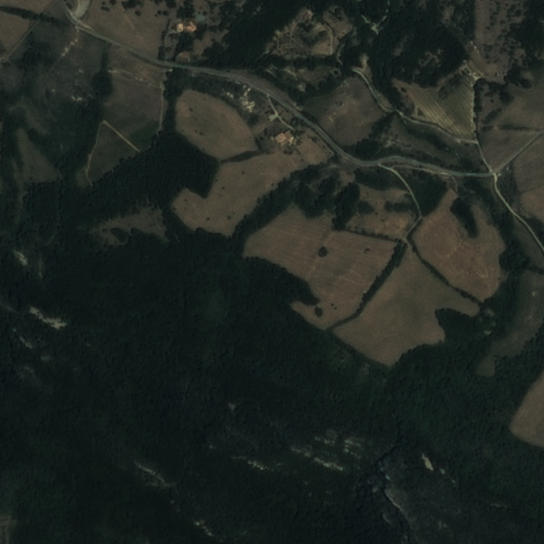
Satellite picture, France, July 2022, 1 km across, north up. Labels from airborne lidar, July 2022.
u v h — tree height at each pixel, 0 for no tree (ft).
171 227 31
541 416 0
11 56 0
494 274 0
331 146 26
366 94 0
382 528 41
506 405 22
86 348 47
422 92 0
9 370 25
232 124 0
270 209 25
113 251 37
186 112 0
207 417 33
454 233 0
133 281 39
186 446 23
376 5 46
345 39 23
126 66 0
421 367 47
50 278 42
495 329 32
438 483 20
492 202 32
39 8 0
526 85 48
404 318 0
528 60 21
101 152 0
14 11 35
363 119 0
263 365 39
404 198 0
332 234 0
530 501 23
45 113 0
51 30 0
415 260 0
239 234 22
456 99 0
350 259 0
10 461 31
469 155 0
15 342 33
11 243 29
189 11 36
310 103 0
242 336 48
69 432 44
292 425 32
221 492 35
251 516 36
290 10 46
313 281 0
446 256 0
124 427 28
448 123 0
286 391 52
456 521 18
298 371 46
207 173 53
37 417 46
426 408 33
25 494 30
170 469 33
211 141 0
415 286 0
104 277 54
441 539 22
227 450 22
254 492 63
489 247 0
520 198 0
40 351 37
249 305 37
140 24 0
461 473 30
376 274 0
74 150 23
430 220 0
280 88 27
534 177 0
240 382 62
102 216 44
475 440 46
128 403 43
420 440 46
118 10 0
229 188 0
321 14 26
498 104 0
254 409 37
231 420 48
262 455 35
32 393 50
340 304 0
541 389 0
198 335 50
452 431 40
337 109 0
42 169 0
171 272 53
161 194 51
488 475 46
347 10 46
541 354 24
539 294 0
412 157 28
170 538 37
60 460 56
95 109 31
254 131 0
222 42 23
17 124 20
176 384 28
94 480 39
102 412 20
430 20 36
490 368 0
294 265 0
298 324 46
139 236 37
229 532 45
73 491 28
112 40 0
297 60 63
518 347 0
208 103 0
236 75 0
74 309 48
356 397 34
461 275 0
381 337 0
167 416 40
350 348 25
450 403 66
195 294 53
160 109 0
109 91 21
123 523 31
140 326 47
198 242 49
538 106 0
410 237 22
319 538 72
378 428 38
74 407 36
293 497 70
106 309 46
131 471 20
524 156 0
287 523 81
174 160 53
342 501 43
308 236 0
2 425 34
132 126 0
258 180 0
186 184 53
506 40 22
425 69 31
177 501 51
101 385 40
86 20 0
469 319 52
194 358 20
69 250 39
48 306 58
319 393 42
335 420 37
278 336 24
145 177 44
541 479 38
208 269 22
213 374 48
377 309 0
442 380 30
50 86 0
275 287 28
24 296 54
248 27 43
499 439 29
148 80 0
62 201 48
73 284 43
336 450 21
